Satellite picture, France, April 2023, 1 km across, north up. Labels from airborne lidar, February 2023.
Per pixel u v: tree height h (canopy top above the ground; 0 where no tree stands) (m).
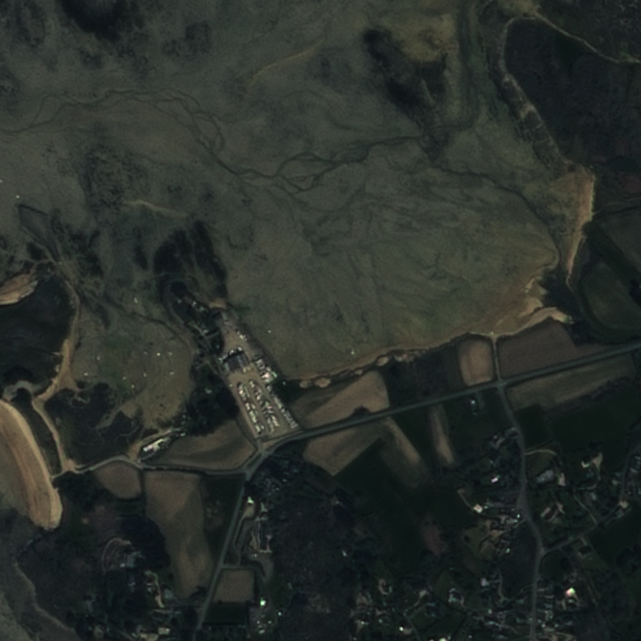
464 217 0
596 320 0
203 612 0
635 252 0
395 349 0
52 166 0
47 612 0
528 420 0
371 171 0
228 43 0
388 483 0
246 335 0
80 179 0
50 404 0
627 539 0
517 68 0
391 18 0
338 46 0
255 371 0
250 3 0
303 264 0
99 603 6
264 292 0
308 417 0
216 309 0
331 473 0
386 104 0
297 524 0
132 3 0
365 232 0
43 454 0
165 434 0
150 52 0
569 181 0
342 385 0
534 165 0
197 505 0
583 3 0
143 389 0
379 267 0
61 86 0
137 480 0
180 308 0
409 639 0
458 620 0
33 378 10
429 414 0
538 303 0
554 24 0
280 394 0
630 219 0
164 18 0
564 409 0
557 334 0
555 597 7
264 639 0
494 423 0
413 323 0
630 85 0
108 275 0
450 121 0
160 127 0
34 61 0
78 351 0
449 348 0
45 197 0
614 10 0
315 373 0
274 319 0
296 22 0
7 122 0
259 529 0
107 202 0
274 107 0
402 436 0
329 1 0
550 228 0
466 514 0
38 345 0
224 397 15
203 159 0
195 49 0
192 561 0
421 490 0
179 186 0
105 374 0
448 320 0
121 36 0
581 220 0
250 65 0
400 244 0
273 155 0
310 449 0
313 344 0
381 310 0
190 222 0
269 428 0
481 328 0
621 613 12
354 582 9
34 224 0
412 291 0
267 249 0
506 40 0
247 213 0
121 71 0
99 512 17
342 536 7
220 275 0
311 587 0
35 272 0
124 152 0
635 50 0
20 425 0
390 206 0
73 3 0
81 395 0
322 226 0
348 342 0
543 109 0
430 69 0
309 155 0
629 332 0
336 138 0
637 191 0
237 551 0
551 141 0
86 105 0
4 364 0
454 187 0
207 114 0
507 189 0
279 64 0
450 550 0
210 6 0
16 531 0
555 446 0
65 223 0
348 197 0
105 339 0
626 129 6
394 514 0
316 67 0
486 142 0
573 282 0
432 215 0
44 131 0
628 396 0
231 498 0
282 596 0
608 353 0
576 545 0
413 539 0
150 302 0
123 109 0
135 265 0
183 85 0
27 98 0
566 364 0
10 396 0
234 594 0
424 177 0
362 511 0
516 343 0
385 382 0
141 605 8
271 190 0
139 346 0
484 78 0
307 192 0
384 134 0
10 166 0
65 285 0
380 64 0
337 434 0
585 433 0
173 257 0
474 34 0
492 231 0
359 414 9
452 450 0
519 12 0
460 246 0
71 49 0
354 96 0
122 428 0
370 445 0
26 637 0
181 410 0
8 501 0
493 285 0
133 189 0
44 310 0
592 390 0
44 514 0
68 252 0
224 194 0
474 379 0
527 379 0
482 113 0
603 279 0
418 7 0
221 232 0
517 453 10
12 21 0
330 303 0
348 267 0
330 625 0
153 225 0
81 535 6
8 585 0
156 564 22
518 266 0
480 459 0
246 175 0
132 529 17
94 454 0
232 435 0
